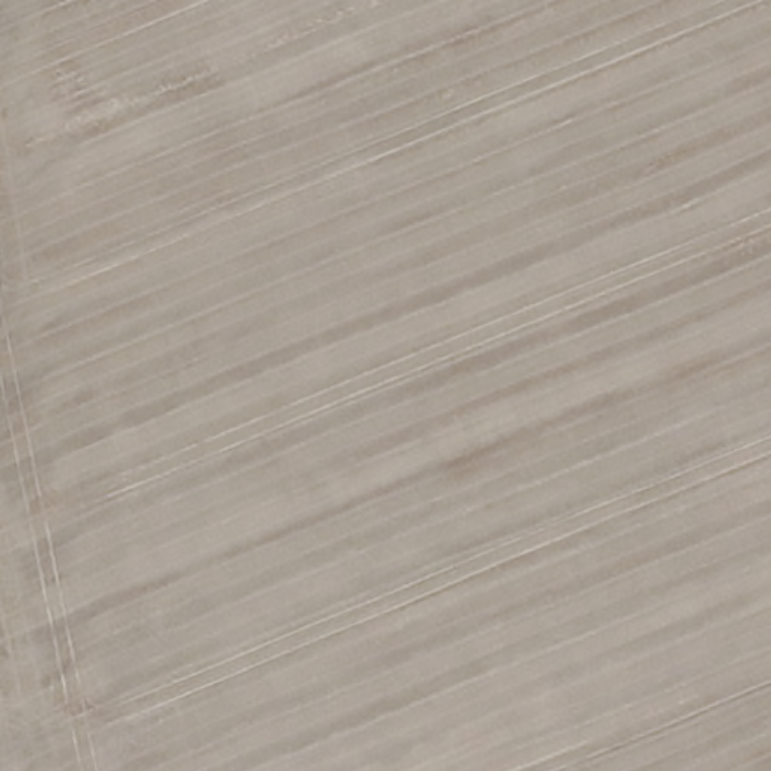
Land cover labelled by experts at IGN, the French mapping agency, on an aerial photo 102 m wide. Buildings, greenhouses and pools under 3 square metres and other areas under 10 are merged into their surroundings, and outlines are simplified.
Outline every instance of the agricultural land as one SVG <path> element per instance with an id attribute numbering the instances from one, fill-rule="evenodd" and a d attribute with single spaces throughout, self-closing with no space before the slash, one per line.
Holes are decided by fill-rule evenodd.
<path id="1" fill-rule="evenodd" d="M 771 771 L 771 0 L 0 0 L 0 771 Z"/>

